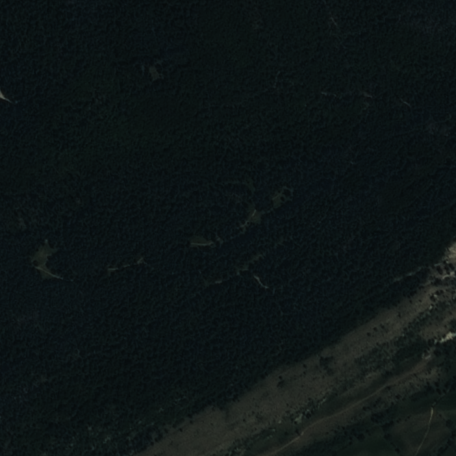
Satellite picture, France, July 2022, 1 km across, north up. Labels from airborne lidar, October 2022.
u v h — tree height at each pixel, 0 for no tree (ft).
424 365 0
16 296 66
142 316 31
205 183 65
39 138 74
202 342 18
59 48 70
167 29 66
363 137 47
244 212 58
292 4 72
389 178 93
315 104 51
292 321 27
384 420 24
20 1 42
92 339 38
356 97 62
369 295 36
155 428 33
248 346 53
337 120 54
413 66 43
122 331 58
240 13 63
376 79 53
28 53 33
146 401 33
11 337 54
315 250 69
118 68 72
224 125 65
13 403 54
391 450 0
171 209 52
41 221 77
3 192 72
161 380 41
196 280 59
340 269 59
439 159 81
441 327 0
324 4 85
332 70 49
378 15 20
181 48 98
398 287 56
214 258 68
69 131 62
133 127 63
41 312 73
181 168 56
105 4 37
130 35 38
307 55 62
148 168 77
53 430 33
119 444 27
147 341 55
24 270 74
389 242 88
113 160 76
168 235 73
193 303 62
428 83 57
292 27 57
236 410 0
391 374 28
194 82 51
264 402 0
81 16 46
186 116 55
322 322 41
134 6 46
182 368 48
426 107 49
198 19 64
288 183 54
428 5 90
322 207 58
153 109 59
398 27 60
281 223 72
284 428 0
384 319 0
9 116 103
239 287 54
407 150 30
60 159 72
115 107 52
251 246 58
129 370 24
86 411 37
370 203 95
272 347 38
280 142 79
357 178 44
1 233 69
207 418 0
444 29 91
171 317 86
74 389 38
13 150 60
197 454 0
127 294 62
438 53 65
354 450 0
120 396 20
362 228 22
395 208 75
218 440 0
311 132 71
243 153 78
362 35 56
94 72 62
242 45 60
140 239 47
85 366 56
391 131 48
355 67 52
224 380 36
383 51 54
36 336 63
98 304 55
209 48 66
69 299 43
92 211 73
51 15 47
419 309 0
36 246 43
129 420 26
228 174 65
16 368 80
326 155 92
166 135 63
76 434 26
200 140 31
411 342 18
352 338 0
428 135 116
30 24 55
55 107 61
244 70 78
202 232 55
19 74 78
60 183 96
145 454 0
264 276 69
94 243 71
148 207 76
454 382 29
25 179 59
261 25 52
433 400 0
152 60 78
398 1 49
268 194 54
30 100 84
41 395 56
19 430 54
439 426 0
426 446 0
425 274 51
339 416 0
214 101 55
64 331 63
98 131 55
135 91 55
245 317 56
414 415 0
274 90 67
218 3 59
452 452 0
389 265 33
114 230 82
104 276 50
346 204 94
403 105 45
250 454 0
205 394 32
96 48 75
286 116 74
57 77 64
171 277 65
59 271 60
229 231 69
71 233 70
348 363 0
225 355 54
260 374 21
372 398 0
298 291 88
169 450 0
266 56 54
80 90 64
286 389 0
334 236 70
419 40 42
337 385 0
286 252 67
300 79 66
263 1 55
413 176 63
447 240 45
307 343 23
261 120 67
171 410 27
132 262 20
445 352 30
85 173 67
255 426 0
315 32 53
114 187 69
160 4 41
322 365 18
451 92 56
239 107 53
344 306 21
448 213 64
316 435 0
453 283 19
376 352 32
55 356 58
